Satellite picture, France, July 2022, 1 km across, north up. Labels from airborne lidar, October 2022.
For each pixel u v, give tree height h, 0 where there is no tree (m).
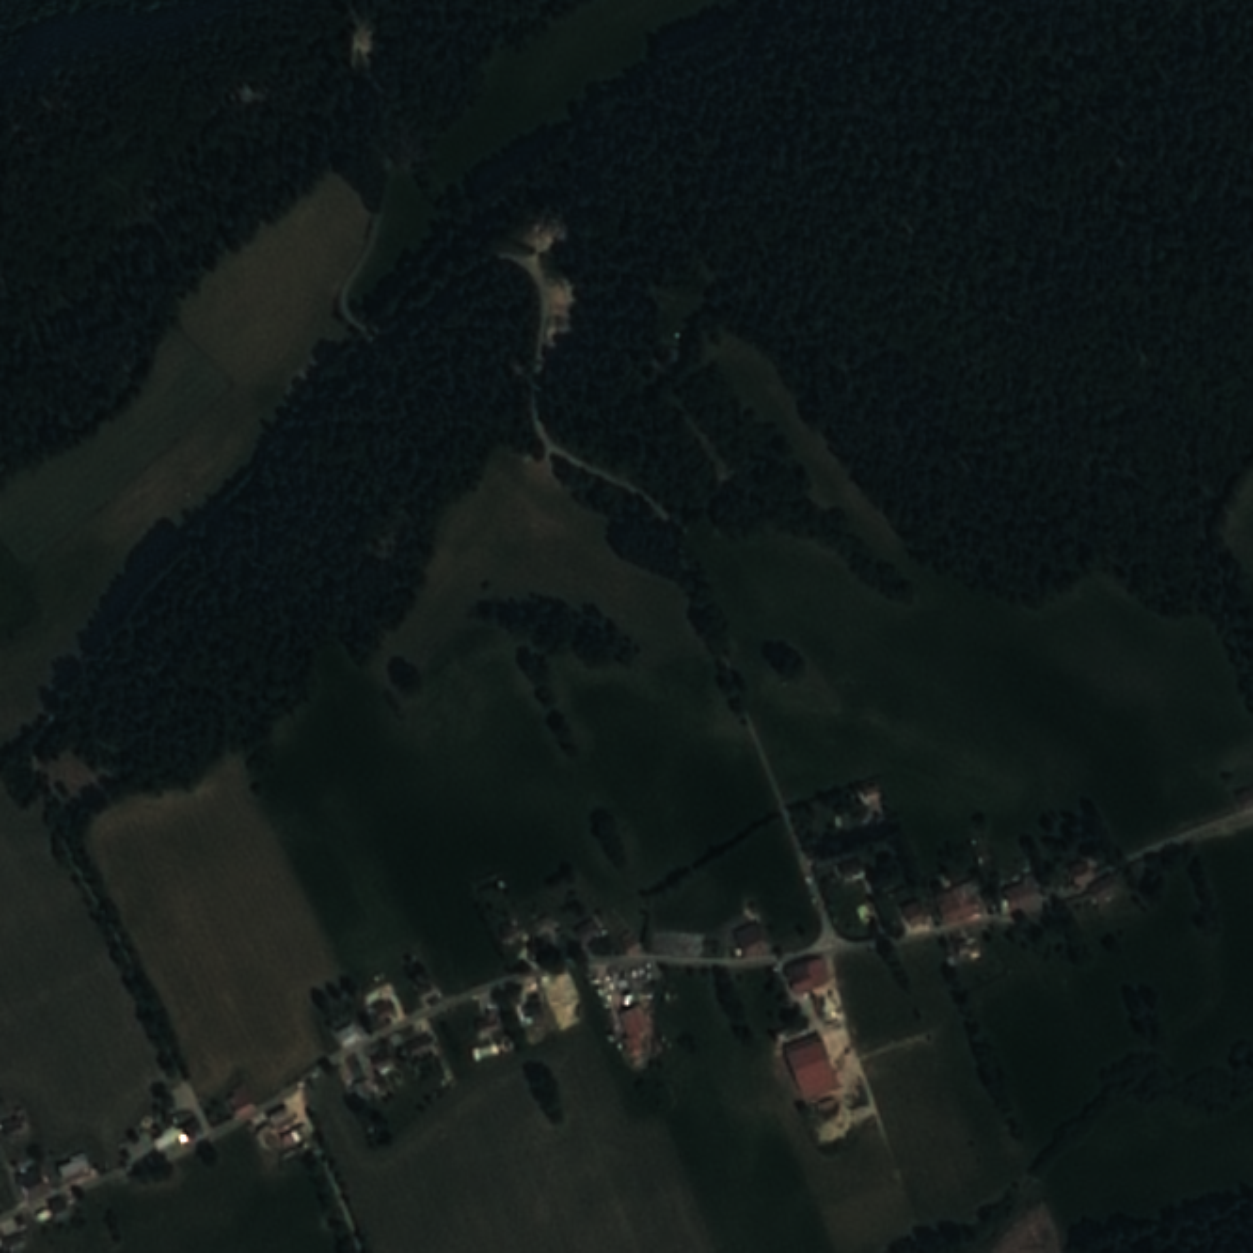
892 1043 0
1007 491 13
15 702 0
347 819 0
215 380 0
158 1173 20
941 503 20
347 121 32
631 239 11
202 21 15
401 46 29
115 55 17
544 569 0
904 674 0
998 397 14
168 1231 0
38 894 0
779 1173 0
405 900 0
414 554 21
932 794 0
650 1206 0
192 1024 0
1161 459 20
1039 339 15
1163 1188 0
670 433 18
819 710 0
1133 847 0
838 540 15
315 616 24
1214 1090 6
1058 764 0
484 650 0
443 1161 0
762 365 0
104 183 13
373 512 21
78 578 0
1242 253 22
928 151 9
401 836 0
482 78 25
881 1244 0
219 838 0
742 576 0
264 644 23
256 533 11
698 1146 0
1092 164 23
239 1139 0
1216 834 0
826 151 13
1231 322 20
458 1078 0
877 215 15
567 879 16
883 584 13
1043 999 0
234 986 0
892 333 15
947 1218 0
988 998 0
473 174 0
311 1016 0
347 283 0
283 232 0
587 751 0
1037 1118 0
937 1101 0
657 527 23
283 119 15
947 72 23
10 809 0
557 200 25
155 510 0
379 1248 0
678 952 0
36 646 0
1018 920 11
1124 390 15
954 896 0
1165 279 18
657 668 0
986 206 18
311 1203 0
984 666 0
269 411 0
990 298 19
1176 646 0
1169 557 17
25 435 29
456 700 0
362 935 0
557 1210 0
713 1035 0
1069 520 23
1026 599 16
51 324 33
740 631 0
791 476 17
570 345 19
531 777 0
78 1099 0
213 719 9
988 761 0
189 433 0
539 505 0
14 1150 0
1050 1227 0
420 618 0
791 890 0
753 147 19
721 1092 0
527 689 0
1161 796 0
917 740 0
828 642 0
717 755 0
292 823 0
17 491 0
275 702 12
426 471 25
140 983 16
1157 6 17
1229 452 16
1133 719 0
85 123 20
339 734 0
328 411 26
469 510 0
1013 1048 0
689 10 0
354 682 0
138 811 0
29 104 19
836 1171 0
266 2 16
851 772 0
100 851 0
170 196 18
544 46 0
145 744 15
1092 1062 0
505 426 12
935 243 18
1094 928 0
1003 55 13
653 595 0
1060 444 17
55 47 14
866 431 14
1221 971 0
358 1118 8
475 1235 0
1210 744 0
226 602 22
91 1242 0
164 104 17
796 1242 0
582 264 21
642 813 0
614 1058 0
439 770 0
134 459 0
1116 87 9
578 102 0
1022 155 8
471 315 24
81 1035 0
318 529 19
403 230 0
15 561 0
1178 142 24
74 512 0
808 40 16
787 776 0
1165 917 0
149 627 23
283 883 0
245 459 0
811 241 18
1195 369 13
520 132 0
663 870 0
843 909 0
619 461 16
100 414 16
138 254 29
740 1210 0
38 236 20
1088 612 0
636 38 0
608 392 12
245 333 0
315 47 21
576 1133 0
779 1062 0
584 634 25
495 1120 0
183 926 0
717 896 0
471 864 0
